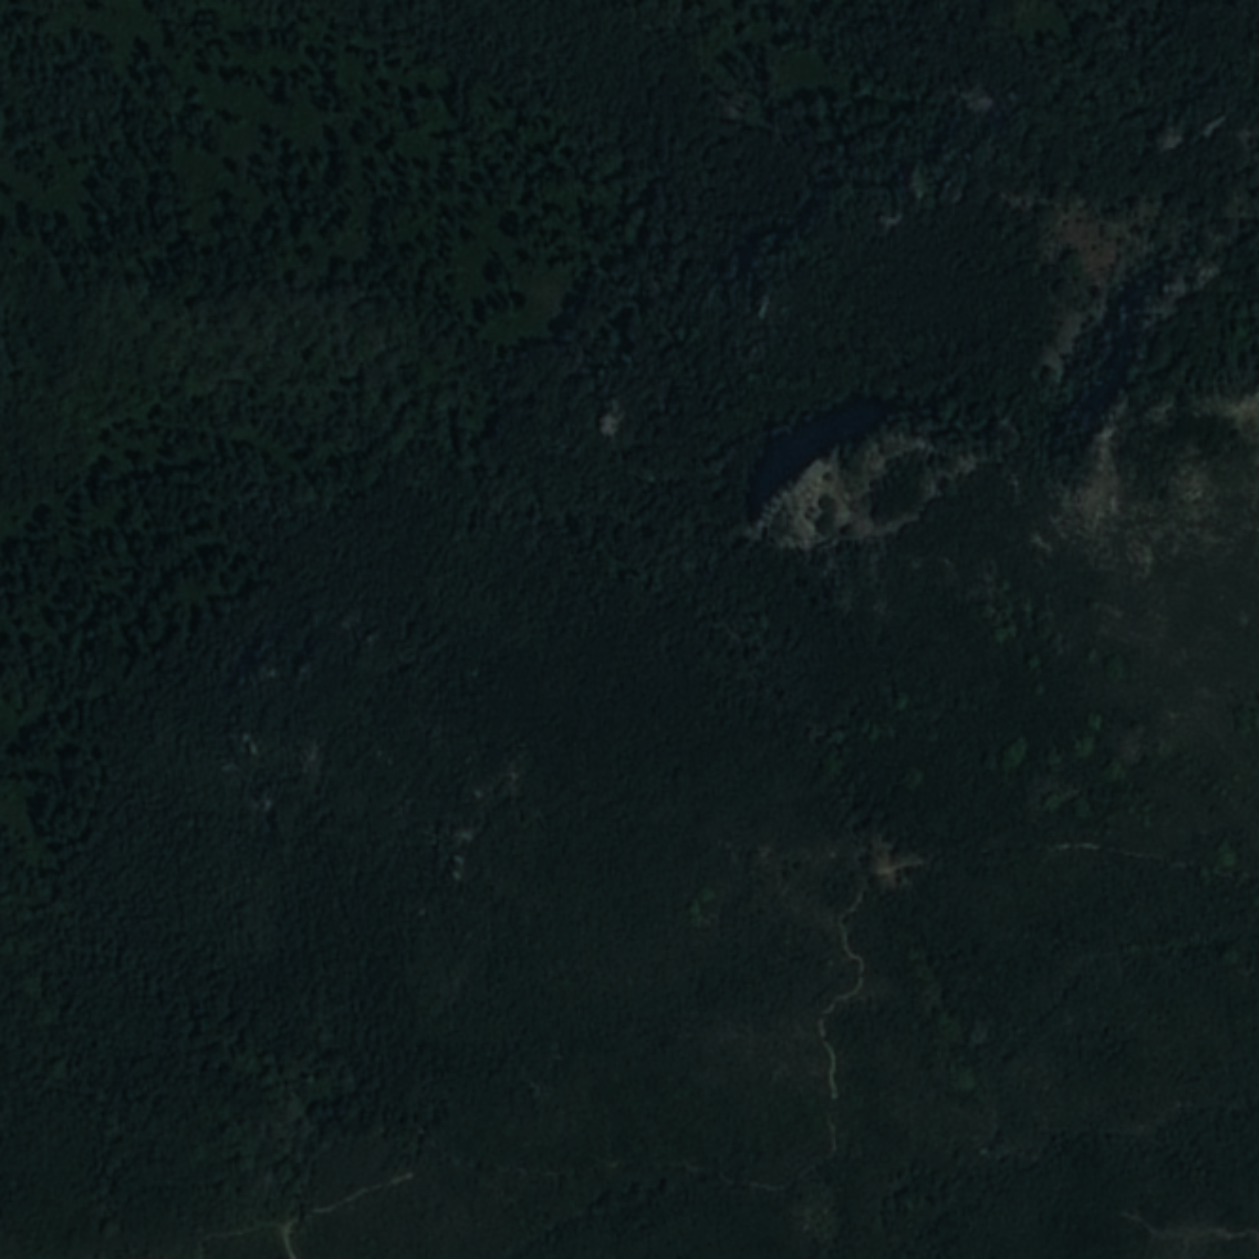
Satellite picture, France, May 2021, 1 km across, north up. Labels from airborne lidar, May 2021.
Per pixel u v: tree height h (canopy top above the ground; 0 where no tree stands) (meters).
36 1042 15
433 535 17
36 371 6
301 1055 9
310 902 11
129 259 17
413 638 8
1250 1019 6
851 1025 9
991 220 12
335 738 8
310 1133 11
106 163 22
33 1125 8
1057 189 18
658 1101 7
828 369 22
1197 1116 6
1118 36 20
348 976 10
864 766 13
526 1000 8
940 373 16
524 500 18
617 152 18
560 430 13
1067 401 8
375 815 9
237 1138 20
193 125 23
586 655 13
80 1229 7
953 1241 7
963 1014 11
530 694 16
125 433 18
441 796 9
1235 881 6
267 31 15
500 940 7
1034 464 7
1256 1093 6
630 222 17
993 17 20
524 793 7
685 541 16
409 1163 8
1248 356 15
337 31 20
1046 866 6
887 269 17
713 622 14
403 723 10
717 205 21
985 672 11
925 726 12
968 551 6
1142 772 7
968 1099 6
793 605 15
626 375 18
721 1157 7
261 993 14
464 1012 8
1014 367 15
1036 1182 6
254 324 11
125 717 14
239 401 15
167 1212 8
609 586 11
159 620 21
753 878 8
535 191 21
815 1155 6
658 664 12
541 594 16
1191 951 8
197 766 6
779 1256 6
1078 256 14
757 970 6
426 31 14
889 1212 14
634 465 16
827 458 14
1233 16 22
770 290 7
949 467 11
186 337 18
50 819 18
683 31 19
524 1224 6
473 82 21
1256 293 12
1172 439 7
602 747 12
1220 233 7
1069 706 6
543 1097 5
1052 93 9
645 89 12
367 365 12
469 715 12
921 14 18
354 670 8
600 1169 6
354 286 23
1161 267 13
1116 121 15
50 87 15
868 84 15
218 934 7
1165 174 20
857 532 7
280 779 11
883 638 8
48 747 28
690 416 20
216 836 8
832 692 15
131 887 9
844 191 16
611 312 21
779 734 14
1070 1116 7
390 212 21
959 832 9
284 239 21
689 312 18
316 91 27
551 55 11
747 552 17
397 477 22
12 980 12
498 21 16
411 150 0
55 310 6
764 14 27
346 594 13
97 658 22
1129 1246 6
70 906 9
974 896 6
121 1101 10
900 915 10
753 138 22
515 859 9
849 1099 6
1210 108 10
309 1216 9
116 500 18
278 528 17
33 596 13
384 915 11
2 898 18
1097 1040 6
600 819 8
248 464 15
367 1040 8
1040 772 7
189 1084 13
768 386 18
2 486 14
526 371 23
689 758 9
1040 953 9
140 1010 9
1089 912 10
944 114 16
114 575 19
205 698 7
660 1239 5
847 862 6
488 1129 7
